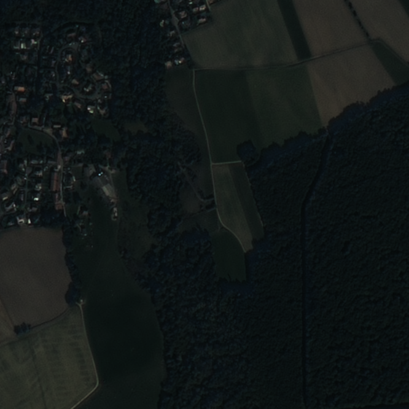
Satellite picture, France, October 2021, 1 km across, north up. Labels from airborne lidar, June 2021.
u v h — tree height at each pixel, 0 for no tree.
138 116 27
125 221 0
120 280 0
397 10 0
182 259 26
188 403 21
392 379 24
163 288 20
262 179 26
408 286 25
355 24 0
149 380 0
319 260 26
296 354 26
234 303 19
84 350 0
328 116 0
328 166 19
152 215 11
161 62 16
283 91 0
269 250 20
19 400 0
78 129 0
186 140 6
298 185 26
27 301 0
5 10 26
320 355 25
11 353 0
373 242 21
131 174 23
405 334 24
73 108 0
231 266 0
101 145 20
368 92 0
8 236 0
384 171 21
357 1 0
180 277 29
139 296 0
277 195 26
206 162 0
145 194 24
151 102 18
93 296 0
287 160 20
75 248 0
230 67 0
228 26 0
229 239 0
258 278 26
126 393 0
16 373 0
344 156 21
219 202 0
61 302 0
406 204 26
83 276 0
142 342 0
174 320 29
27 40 0
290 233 20
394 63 0
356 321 25
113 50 27
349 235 25
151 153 23
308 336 23
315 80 0
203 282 26
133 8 24
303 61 0
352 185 25
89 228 0
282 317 28
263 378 24
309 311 24
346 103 0
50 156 16
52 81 15
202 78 0
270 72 0
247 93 0
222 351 18
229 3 0
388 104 20
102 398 0
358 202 26
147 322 0
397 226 25
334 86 0
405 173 21
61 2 23
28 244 0
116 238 0
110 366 0
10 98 0
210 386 26
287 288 27
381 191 27
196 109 0
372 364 23
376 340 13
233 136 0
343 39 0
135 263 0
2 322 0
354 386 26
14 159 8
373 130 16
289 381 25
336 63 0
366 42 0
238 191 0
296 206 23
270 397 27
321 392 23
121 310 0
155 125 17
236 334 14
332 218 22
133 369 0
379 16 0
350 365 28
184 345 26
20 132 14
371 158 25
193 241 19
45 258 0
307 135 0
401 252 24
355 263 25
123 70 24
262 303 28
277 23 0
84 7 27
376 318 28
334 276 25
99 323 0
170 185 27
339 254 27
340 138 22
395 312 25
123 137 21
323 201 23
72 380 0
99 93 0
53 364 0
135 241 0
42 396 0
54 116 15
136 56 20
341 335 25
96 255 0
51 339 0
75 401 0
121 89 27
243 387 24
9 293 0
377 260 25
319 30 0
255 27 0
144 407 0
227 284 0
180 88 0
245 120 0
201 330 26
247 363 21
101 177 0
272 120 0
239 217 0
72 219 0
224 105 0
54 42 16
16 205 9
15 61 20
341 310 26
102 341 0
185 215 0
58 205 0
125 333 0
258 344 27
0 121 0
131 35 22
